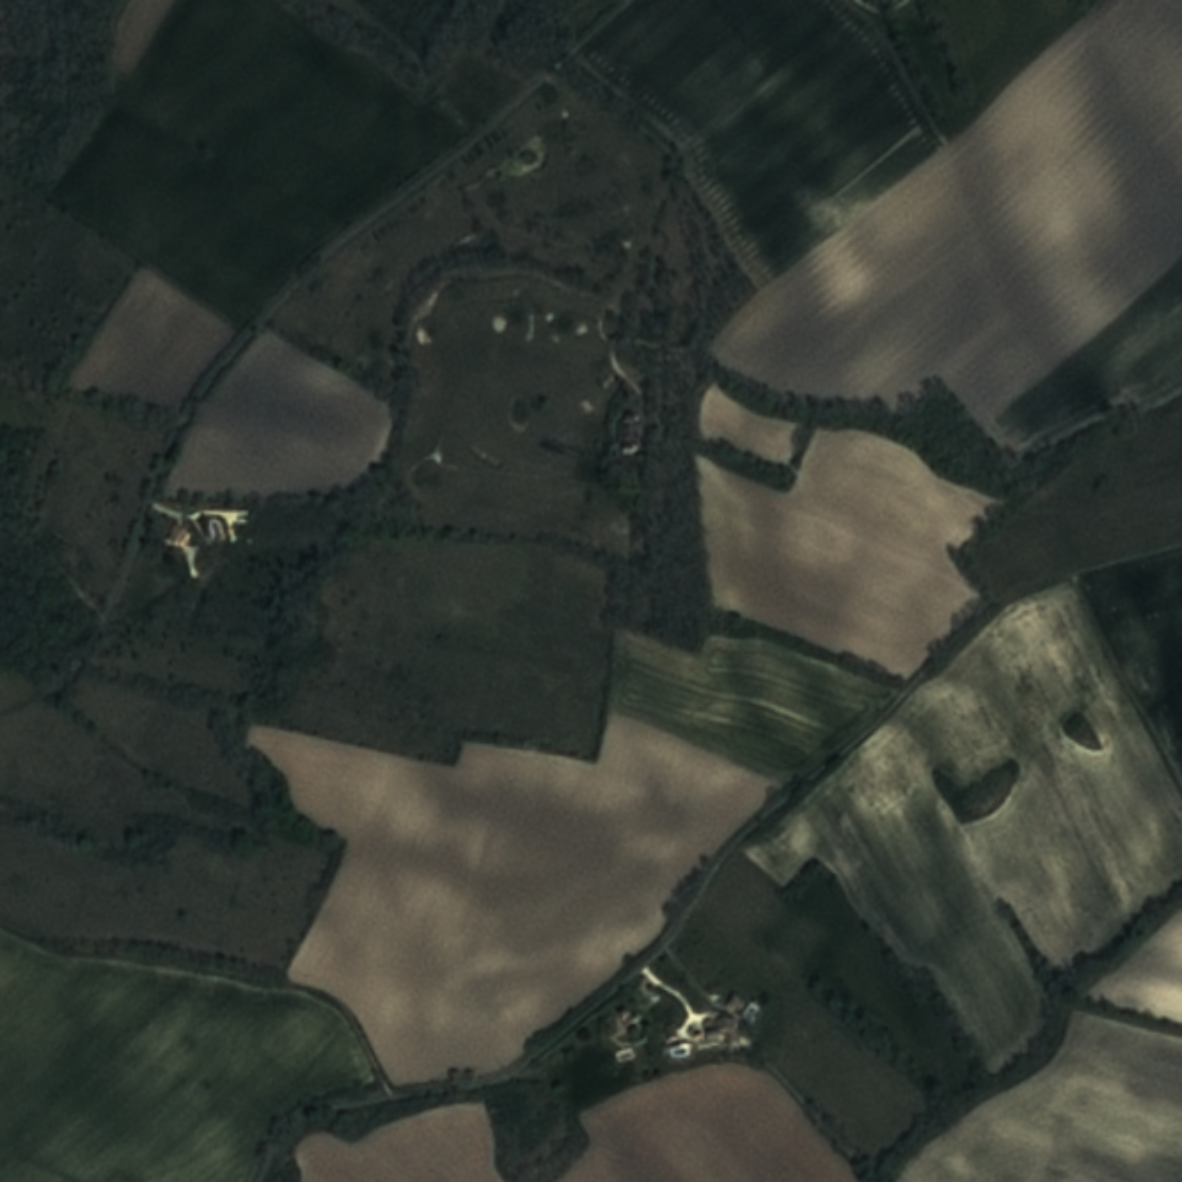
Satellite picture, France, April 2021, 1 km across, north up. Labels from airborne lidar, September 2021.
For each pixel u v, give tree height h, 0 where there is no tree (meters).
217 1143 0
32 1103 0
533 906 0
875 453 0
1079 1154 0
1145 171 0
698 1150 0
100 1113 0
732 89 0
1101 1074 0
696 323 15
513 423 0
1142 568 0
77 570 6
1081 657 0
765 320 0
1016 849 0
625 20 0
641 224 0
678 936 0
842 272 0
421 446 0
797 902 7
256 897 0
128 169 0
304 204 0
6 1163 0
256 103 0
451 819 0
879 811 0
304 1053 0
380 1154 0
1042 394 0
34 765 0
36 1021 0
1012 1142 0
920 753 0
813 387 0
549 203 0
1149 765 0
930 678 9
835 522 0
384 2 10
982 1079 14
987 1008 0
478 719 0
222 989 0
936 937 0
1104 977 14
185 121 0
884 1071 0
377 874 0
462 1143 0
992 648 0
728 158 0
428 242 0
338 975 0
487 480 0
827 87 0
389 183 0
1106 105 0
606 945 0
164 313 0
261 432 0
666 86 0
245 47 0
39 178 8
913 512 0
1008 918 12
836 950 0
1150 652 0
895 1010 0
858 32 0
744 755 0
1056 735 0
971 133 0
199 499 10
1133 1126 0
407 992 0
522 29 25
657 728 0
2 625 25
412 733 0
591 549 8
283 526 13
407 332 8
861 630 0
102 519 0
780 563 0
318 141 0
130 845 7
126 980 0
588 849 0
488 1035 0
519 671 0
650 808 0
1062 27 0
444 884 0
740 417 0
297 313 0
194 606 12
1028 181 0
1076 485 0
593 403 0
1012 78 0
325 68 0
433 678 0
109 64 16
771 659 0
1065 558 0
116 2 16
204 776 0
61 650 19
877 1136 0
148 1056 0
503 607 0
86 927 0
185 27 0
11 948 0
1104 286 0
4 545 24
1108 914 0
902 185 0
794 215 0
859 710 0
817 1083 0
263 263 0
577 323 0
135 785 0
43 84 13
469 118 0
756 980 0
